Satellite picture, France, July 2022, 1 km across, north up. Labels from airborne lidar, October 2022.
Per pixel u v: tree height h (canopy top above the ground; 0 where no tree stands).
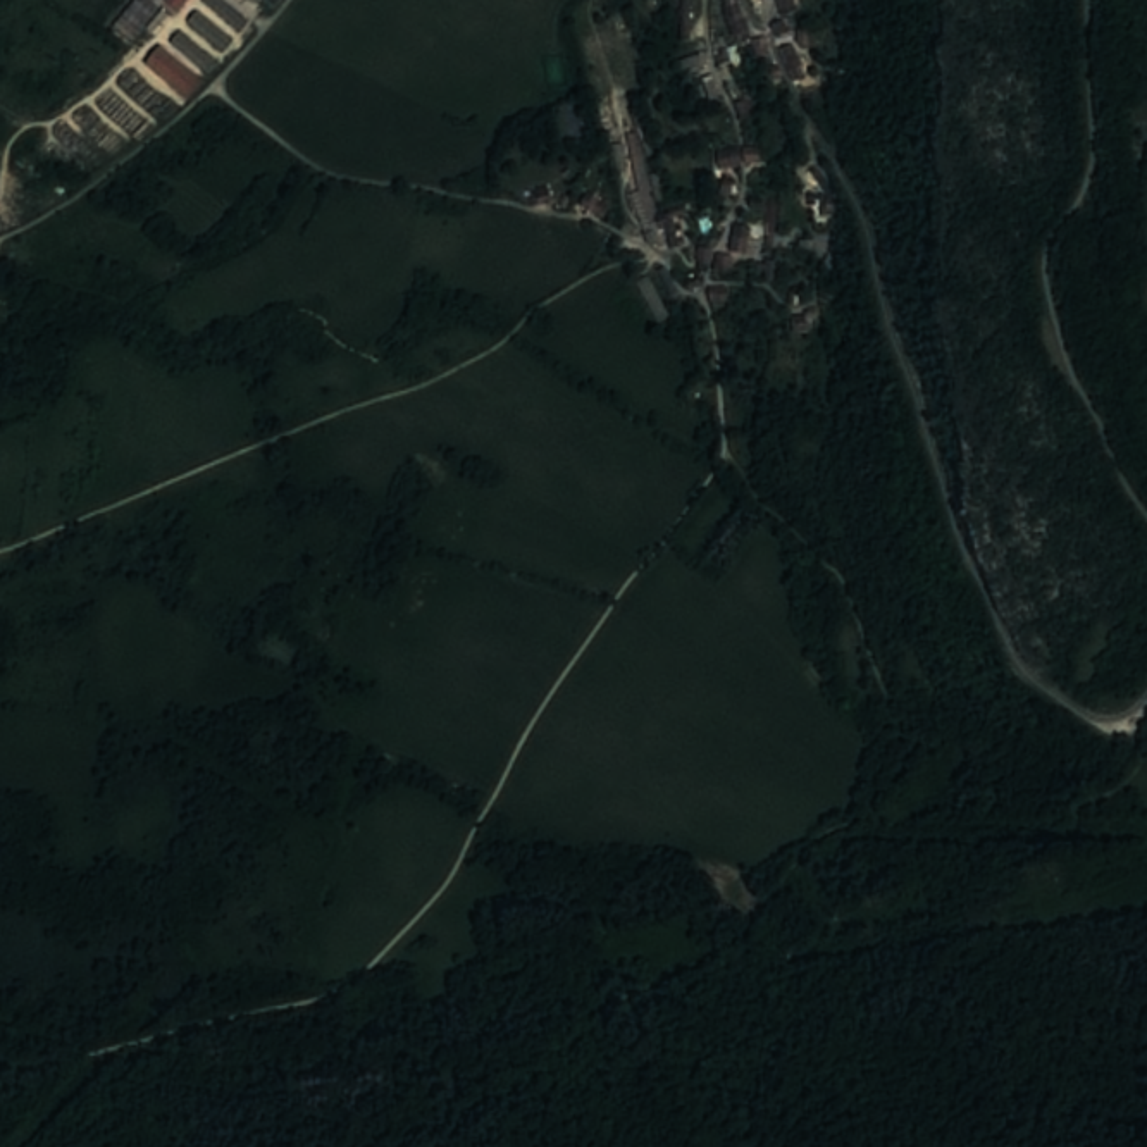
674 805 0
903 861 13
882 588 9
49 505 0
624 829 0
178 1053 15
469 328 5
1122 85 15
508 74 0
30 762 0
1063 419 8
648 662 0
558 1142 22
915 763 16
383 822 0
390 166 0
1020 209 7
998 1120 16
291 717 16
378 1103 27
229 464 0
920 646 10
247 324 7
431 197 7
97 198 10
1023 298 9
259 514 0
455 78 0
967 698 14
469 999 14
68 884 15
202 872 9
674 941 0
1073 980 13
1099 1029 10
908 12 14
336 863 0
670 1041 18
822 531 12
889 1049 18
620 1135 16
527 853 14
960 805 16
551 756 0
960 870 18
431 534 0
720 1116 16
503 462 0
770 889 21
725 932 21
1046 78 10
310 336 5
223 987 8
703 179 19
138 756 13
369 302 0
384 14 0
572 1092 15
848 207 17
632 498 0
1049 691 0
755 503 13
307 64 0
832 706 6
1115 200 13
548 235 0
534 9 0
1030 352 8
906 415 13
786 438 10
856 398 11
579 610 0
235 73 0
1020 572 6
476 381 0
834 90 16
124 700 0
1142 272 13
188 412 0
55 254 0
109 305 0
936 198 13
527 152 12
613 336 0
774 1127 17
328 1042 22
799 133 15
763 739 0
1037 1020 17
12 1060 23
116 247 0
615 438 0
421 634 0
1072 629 7
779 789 0
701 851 0
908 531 10
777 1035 17
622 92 0
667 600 0
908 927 7
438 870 0
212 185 0
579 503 0
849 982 16
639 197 0
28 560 10
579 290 0
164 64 0
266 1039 21
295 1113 23
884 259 12
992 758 20
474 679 0
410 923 0
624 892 28
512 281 0
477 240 0
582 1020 16
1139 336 8
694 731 0
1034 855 18
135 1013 7
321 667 9
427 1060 12
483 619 0
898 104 17
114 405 0
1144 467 10
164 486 0
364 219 0
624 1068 19
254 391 8
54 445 0
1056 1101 21
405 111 0
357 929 0
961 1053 20
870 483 11
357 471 0
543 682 0
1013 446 6
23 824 16
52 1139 10
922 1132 20
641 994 17
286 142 0
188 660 0
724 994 14
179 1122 12
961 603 9
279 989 11
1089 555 8
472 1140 24
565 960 20
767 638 0
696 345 10
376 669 0
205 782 17
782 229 10
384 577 10
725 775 0
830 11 11
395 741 0
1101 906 0
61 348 14
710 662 0
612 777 0
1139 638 11
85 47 0
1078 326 12
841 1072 14
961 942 18
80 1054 18
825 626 12
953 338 6
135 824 0
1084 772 20
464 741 0
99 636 0
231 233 8
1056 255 11
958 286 9
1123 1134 25
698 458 6
